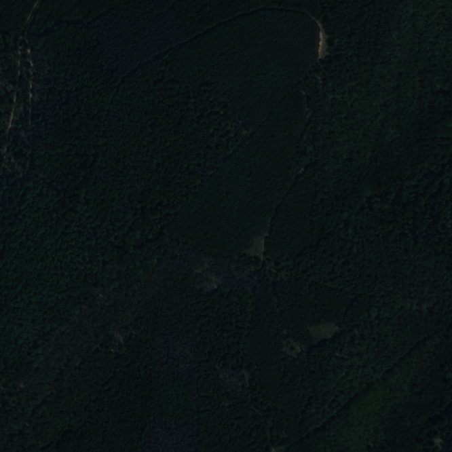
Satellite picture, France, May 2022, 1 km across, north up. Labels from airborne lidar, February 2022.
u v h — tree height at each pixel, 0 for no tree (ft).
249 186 52
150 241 85
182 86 38
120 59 63
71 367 108
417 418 26
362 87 60
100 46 53
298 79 40
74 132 92
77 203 115
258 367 40
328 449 93
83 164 100
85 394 130
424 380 22
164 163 95
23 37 34
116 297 91
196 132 103
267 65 52
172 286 68
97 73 81
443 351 23
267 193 59
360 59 46
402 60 88
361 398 86
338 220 104
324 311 34
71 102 79
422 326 91
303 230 60
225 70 45
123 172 88
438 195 99
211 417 69
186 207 54
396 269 87
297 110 52
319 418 71
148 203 92
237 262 62
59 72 79
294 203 61
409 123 99
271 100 58
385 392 73
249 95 54
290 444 64
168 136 80
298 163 42
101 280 66
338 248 91
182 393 65
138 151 78
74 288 83
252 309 37
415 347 99
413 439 30
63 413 118
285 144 56
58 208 111
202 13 36
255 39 50
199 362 77
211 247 50
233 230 47
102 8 57
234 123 59
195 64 54
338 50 84
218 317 89
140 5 67
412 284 79
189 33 55
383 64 86
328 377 69
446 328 61
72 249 84
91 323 81
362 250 89
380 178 109
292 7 29
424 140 117
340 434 61
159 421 62
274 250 63
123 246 90
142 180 87
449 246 108
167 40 64
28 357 74
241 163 48
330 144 70
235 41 51
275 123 60
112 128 72
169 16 71
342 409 84
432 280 81
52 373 88
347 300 24
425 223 115
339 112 79
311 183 39
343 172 79
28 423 105
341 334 71
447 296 93
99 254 100
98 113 81
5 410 79
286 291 37
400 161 112
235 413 66
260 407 56
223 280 63
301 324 40
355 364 75
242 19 45
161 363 83
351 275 86
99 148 91
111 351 24
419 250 90
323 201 81
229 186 54
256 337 42
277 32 51
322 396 79
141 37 65
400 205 114
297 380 55
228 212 56
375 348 76
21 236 91
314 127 78
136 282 77
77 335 89
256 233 48
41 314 73
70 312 72
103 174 95
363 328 85
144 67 85
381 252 77
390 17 80
